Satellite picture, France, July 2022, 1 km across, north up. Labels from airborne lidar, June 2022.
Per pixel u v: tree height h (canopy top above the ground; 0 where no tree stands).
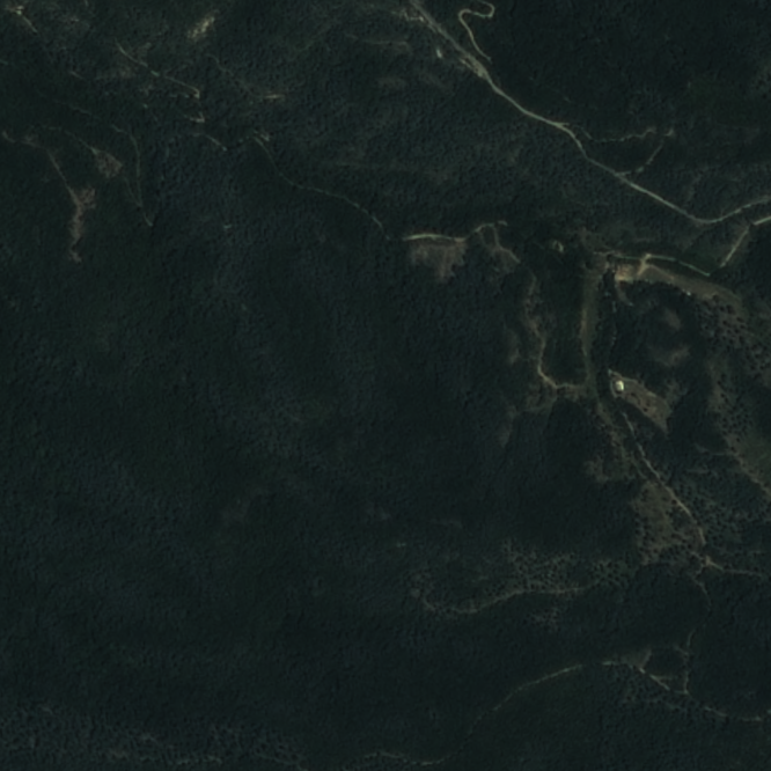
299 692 12
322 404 6
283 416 10
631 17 11
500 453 11
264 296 10
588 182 8
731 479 9
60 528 16
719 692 9
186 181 7
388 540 7
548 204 6
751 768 11
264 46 12
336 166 6
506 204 7
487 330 8
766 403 10
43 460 12
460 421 10
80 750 15
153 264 11
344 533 6
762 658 15
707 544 8
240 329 12
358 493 13
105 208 6
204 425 11
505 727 11
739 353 15
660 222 11
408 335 11
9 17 12
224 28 10
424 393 15
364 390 13
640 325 11
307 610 10
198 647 7
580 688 8
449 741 10
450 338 13
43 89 10
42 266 9
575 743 11
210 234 7
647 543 13
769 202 7
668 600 9
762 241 12
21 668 12
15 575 13
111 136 8
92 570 11
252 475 12
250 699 13
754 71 10
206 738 14
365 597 13
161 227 13
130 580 7
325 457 10
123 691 11
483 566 9
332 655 10
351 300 6
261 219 9
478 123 9
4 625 6
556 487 8
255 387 9
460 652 14
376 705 7
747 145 7
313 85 8
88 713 11
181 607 9
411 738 10
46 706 17
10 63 8
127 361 15
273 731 7
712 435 7
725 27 10
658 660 11
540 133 12
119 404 11
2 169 7
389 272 14
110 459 10
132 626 12
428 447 12
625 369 6
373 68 6
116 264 12
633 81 11
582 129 8
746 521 11
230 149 14
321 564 6
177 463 9
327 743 13
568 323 10
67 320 8
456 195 11
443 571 7
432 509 10
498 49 13
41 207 9
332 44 11
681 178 9
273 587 13
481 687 10
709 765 6
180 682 9
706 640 13
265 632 10
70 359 7
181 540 9
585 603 11
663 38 11
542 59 7
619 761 6
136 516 12
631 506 8
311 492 7
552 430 11
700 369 8
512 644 10
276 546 12
